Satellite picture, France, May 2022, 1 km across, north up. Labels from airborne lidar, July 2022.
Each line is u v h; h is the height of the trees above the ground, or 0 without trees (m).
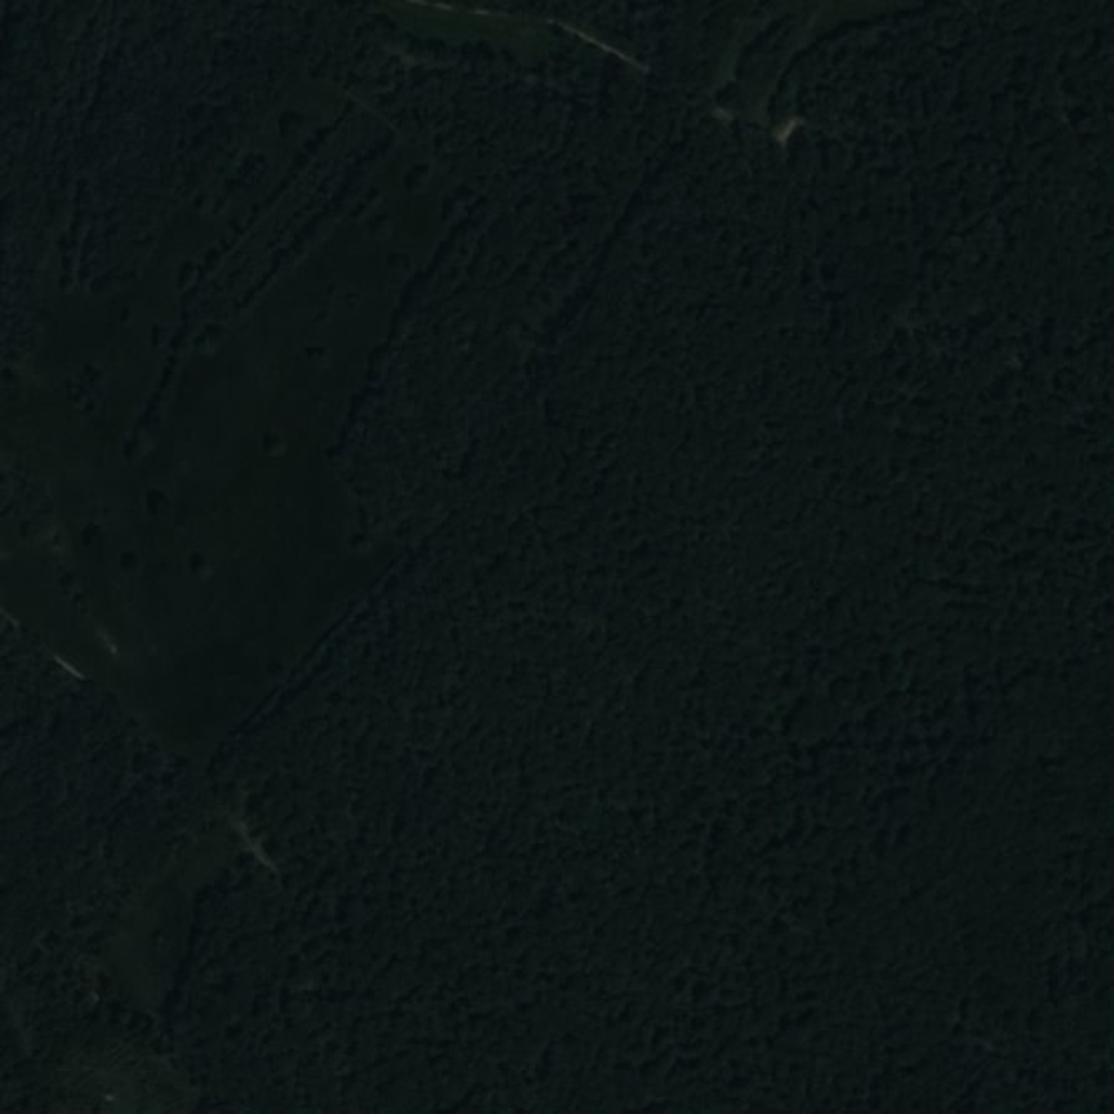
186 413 0
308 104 0
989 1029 32
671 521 22
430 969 22
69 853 28
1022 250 17
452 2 27
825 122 20
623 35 21
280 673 19
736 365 21
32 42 28
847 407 22
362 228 0
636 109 20
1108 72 24
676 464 22
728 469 19
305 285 0
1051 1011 25
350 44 22
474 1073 25
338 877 24
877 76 25
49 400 0
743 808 10
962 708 7
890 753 26
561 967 24
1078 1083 34
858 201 22
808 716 28
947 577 7
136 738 23
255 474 0
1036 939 26
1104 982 19
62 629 0
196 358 0
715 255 26
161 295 0
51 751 32
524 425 23
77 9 21
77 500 0
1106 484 18
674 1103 23
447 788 19
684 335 20
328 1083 19
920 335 13
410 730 19
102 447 0
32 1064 7
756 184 21
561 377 25
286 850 22
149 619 0
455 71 18
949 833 22
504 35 0
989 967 25
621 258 25
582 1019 19
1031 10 21
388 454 17
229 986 22
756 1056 20
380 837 21
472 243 16
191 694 0
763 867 22
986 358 23
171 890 0
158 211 19
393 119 16
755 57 18
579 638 18
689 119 26
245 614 0
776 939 27
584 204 24
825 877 28
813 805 22
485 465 22
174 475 0
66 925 24
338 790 20
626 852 20
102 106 24
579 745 17
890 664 26
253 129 17
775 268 25
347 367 0
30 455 0
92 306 0
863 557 19
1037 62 22
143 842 25
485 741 19
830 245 24
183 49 19
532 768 19
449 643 20
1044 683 26
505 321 28
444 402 21
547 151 22
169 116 25
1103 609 26
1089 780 29
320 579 0
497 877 22
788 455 20
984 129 23
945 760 16
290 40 9
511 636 19
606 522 23
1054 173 17
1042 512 21
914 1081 28
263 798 21
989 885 26
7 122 27
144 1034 27
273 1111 21
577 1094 22
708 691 21
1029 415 23
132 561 19
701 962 26
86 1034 7
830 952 23
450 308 20
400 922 22
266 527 0
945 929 25
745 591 19
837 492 17
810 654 22
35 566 0
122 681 0
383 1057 16
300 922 22
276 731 22
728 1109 26
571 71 24
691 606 19
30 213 24
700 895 14
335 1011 19
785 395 22
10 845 28
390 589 19
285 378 0
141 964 0
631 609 16
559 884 21
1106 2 20
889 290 26
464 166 20
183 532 0
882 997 21
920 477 19
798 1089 21
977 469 22
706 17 17
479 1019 20
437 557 22
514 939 22
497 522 25
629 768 20
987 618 18
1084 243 15
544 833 22
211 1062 22
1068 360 23
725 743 22
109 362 0
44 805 33
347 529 0
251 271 6
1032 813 26
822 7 0
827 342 20
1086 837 13
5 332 26
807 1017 20
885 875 28
